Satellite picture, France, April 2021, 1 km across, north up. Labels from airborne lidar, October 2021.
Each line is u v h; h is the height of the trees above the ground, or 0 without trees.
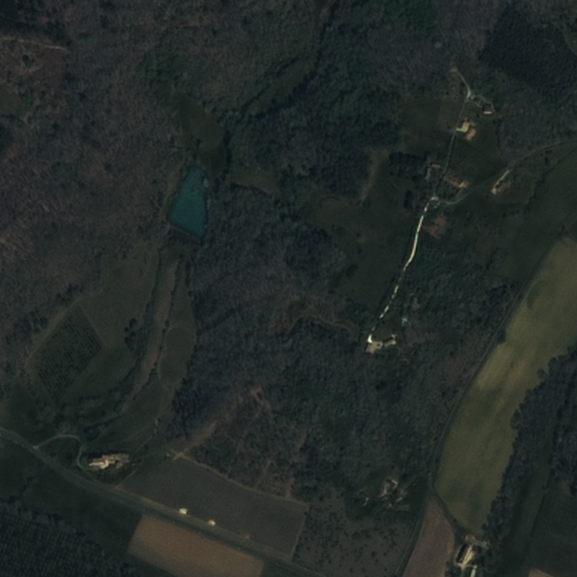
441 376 11
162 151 19
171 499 0
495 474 0
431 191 13
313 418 16
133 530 0
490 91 14
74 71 7
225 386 20
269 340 14
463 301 7
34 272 16
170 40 21
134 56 17
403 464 8
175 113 26
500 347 0
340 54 20
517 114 19
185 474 0
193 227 0
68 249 17
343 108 27
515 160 18
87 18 10
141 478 0
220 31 11
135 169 16
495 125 10
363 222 0
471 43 12
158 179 13
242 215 18
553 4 19
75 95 12
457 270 6
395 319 0
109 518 0
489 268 13
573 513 0
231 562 0
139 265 0
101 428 13
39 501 0
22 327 14
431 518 0
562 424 18
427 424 13
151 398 0
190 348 0
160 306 0
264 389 13
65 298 8
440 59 16
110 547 0
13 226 13
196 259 14
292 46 16
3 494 0
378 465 16
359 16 26
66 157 20
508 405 0
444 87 18
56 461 9
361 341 9
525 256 0
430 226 0
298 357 18
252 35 19
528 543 0
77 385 0
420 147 0
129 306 0
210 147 0
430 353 19
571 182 0
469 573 0
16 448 0
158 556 0
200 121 0
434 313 8
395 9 24
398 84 21
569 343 0
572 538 0
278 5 14
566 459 22
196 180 0
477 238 7
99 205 16
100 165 17
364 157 20
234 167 17
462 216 0
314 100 30
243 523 0
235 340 20
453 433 0
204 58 14
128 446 0
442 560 0
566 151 0
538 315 0
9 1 14
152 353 0
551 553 0
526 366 0
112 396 12
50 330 0
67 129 8
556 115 16
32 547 22
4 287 16
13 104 0
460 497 0
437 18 19
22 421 0
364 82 26
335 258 21
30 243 15
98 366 0
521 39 18
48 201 16
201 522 0
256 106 19
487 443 0
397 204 0
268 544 0
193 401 9
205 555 0
